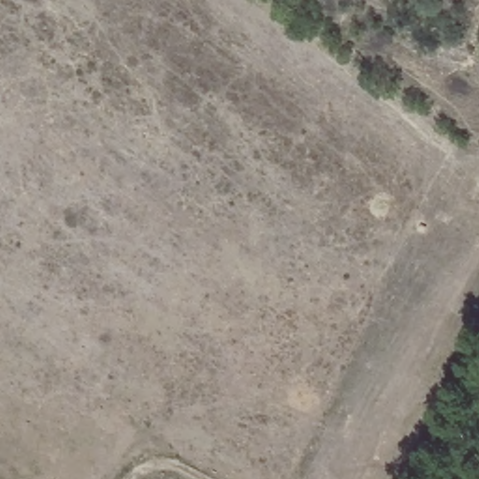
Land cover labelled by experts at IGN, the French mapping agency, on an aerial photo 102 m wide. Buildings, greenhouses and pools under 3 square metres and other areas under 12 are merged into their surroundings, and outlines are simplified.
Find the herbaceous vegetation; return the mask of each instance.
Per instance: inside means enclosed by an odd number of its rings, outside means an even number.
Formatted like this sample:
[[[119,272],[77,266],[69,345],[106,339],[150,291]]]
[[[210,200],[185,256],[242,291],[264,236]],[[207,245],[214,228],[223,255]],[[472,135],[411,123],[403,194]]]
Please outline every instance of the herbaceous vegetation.
[[[185,479],[180,473],[170,470],[155,470],[142,475],[140,479]]]
[[[460,329],[479,329],[479,0],[468,0],[466,6],[472,13],[472,24],[466,36],[462,37],[462,41],[455,47],[438,47],[436,52],[425,54],[417,47],[414,39],[393,36],[389,43],[393,47],[393,62],[399,65],[406,77],[412,77],[419,88],[423,88],[432,97],[432,107],[428,110],[427,116],[421,116],[417,112],[408,112],[404,109],[400,99],[378,99],[372,97],[367,90],[363,90],[357,80],[359,67],[339,64],[339,60],[331,56],[322,45],[320,37],[296,41],[286,36],[283,24],[271,19],[271,4],[268,0],[0,0],[0,479],[125,479],[135,466],[155,458],[178,460],[183,466],[202,475],[208,475],[211,479],[391,479],[391,475],[385,472],[385,464],[399,458],[400,440],[404,436],[410,436],[415,425],[423,419],[427,408],[428,391],[432,385],[442,382],[443,363],[455,352],[455,342]],[[458,75],[470,84],[468,95],[451,94],[447,90],[445,79],[451,75]],[[460,148],[455,142],[451,142],[447,135],[436,131],[436,120],[440,112],[455,118],[458,127],[470,133],[470,140],[466,146]]]

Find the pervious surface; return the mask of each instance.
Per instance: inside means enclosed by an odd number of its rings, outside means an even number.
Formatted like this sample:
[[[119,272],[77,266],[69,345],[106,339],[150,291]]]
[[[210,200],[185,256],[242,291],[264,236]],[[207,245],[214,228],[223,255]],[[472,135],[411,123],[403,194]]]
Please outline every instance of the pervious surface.
[[[180,473],[185,479],[211,479],[208,475],[202,475],[183,466],[178,460],[155,458],[135,466],[125,479],[140,479],[142,475],[155,470],[170,470]]]

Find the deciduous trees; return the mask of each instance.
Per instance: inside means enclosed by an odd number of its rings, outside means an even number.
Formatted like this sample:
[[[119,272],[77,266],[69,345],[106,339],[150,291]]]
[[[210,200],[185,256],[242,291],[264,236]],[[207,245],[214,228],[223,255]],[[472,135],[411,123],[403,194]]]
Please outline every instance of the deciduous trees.
[[[466,146],[470,140],[470,133],[458,127],[455,118],[440,112],[436,120],[436,131],[447,135],[451,142],[455,142],[460,148]]]
[[[385,464],[385,472],[391,475],[391,479],[479,479],[479,329],[460,329],[455,342],[455,352],[443,363],[442,382],[432,385],[428,391],[427,408],[423,419],[415,425],[410,436],[404,436],[400,440],[399,458]]]
[[[468,95],[470,84],[458,75],[451,75],[445,79],[447,90],[451,94]]]
[[[412,77],[406,77],[399,65],[393,62],[393,47],[389,43],[393,36],[414,39],[417,47],[425,54],[436,52],[438,47],[455,47],[462,41],[462,37],[466,36],[472,24],[472,13],[466,6],[468,0],[268,0],[271,4],[271,19],[283,24],[286,36],[296,41],[320,37],[322,45],[331,56],[339,60],[339,64],[359,67],[357,80],[363,90],[367,90],[372,97],[378,99],[400,99],[404,109],[408,112],[417,112],[421,116],[427,116],[428,110],[432,107],[432,97],[423,88],[419,88]]]

